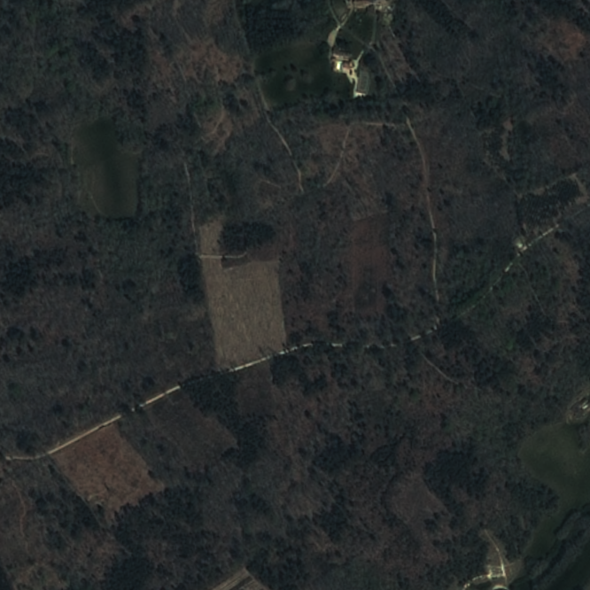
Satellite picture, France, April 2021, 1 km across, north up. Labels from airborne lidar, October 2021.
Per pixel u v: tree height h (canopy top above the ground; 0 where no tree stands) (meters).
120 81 26
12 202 15
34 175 23
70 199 13
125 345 10
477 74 9
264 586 20
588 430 19
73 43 16
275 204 12
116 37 12
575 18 0
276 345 0
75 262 6
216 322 0
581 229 17
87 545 17
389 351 23
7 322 9
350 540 11
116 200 0
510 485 16
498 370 17
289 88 13
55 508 31
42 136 18
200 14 20
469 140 12
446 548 18
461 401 9
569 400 22
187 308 20
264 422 16
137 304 10
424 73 9
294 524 31
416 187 8
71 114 22
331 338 7
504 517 13
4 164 17
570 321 15
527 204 7
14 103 22
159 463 12
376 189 13
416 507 0
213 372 16
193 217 18
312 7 16
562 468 0
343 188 12
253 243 18
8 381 20
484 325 14
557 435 0
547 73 24
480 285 12
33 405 15
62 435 9
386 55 16
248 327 0
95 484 0
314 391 18
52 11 19
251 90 28
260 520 25
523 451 0
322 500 13
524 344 17
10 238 6
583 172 19
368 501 7
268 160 12
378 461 8
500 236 11
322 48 12
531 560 7
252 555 16
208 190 13
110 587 17
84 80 22
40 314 13
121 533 18
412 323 18
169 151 28
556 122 0
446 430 22
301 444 11
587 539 15
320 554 6
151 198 16
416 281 6
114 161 0
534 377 11
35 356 24
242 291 0
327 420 14
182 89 20
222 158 14
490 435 20
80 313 10
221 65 0
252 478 14
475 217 13
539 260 17
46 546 16
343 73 0
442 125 10
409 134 8
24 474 17
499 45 13
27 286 14
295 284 6
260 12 16
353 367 17
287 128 14
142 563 18
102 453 0
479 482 16
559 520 0
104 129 0
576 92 13
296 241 7
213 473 19
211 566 30
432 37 11
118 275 10
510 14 14
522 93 6
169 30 17
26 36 21
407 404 9
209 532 13
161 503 21
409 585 19
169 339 19
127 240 14
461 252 20
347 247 7
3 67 9
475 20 22
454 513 23
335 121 20
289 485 18
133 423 18
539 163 11
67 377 14
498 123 16
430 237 7
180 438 0
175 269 8
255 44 16
